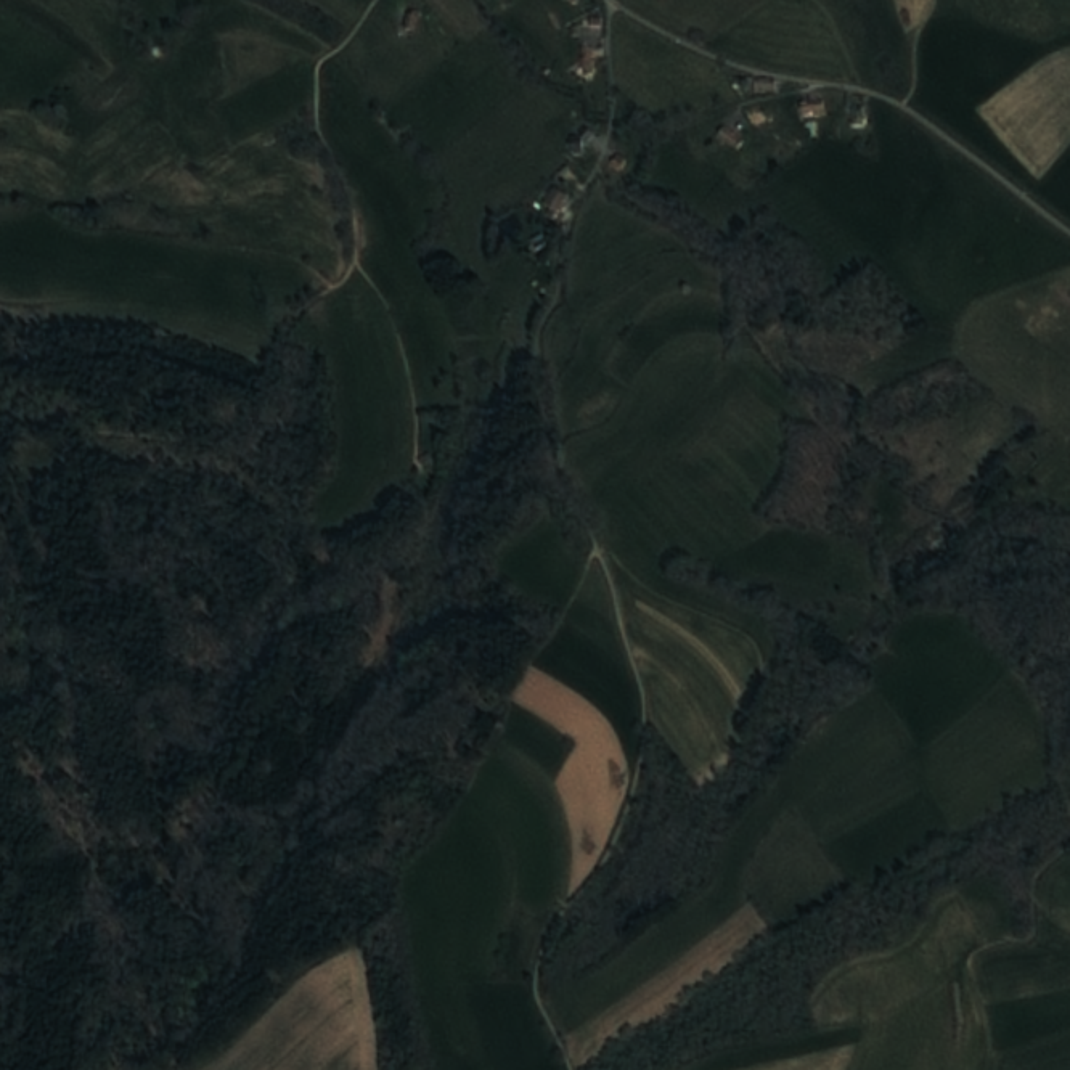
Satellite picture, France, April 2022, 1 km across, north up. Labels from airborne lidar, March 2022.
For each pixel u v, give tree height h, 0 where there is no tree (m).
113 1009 36
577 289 0
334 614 30
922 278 0
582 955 16
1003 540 28
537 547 0
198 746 35
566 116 0
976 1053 0
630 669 0
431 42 0
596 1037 0
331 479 15
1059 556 26
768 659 0
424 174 17
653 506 0
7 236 0
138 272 0
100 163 0
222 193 0
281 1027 0
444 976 0
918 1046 0
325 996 0
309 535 23
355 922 15
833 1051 0
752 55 0
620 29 0
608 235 0
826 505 21
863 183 0
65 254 0
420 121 0
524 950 0
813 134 0
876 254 0
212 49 0
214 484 25
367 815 23
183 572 29
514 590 19
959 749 0
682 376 0
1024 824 17
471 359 0
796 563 0
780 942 16
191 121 0
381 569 33
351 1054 0
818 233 0
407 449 0
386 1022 13
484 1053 0
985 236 0
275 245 0
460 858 0
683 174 0
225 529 32
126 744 31
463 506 26
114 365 25
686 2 0
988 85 0
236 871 34
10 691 7
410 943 14
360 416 0
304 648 33
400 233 0
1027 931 17
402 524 33
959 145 0
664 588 0
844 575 0
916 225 0
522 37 0
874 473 23
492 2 0
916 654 0
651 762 17
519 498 12
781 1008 13
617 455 0
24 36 0
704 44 12
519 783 0
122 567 30
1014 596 23
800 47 0
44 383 23
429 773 8
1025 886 22
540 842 0
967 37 0
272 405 23
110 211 18
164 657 29
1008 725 0
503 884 0
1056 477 0
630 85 0
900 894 9
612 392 0
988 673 0
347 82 0
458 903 0
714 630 0
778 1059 0
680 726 0
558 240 13
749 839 0
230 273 0
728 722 0
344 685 32
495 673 29
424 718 30
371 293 0
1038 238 0
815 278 14
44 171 0
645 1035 9
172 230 20
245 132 0
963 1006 0
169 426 25
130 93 0
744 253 26
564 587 0
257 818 36
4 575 24
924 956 0
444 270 23
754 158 0
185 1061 19
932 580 24
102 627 28
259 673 27
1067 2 0
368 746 34
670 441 0
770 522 19
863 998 0
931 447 0
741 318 20
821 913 19
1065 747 25
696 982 0
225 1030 23
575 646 0
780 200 0
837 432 24
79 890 17
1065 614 22
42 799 34
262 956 23
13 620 27
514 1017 0
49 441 28
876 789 0
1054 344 0
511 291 0
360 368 0
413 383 0
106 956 30
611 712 0
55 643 33
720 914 0
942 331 0
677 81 0
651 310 0
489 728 22
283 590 32
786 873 0
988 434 0
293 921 19
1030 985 0
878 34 0
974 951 0
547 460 32
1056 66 0
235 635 34
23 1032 37
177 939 35
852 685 31
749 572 0
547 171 0
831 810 0
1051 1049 0
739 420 0
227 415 26
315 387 11
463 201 0
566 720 0
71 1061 28
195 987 31
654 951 0
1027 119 0
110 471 30
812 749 0
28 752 34
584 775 0
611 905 15
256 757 14
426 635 11
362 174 0
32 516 13
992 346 0
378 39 0
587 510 21
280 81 0
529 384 24
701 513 0
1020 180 0
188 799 36
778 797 0
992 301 0
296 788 15
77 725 30
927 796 0
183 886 39
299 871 22
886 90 0
